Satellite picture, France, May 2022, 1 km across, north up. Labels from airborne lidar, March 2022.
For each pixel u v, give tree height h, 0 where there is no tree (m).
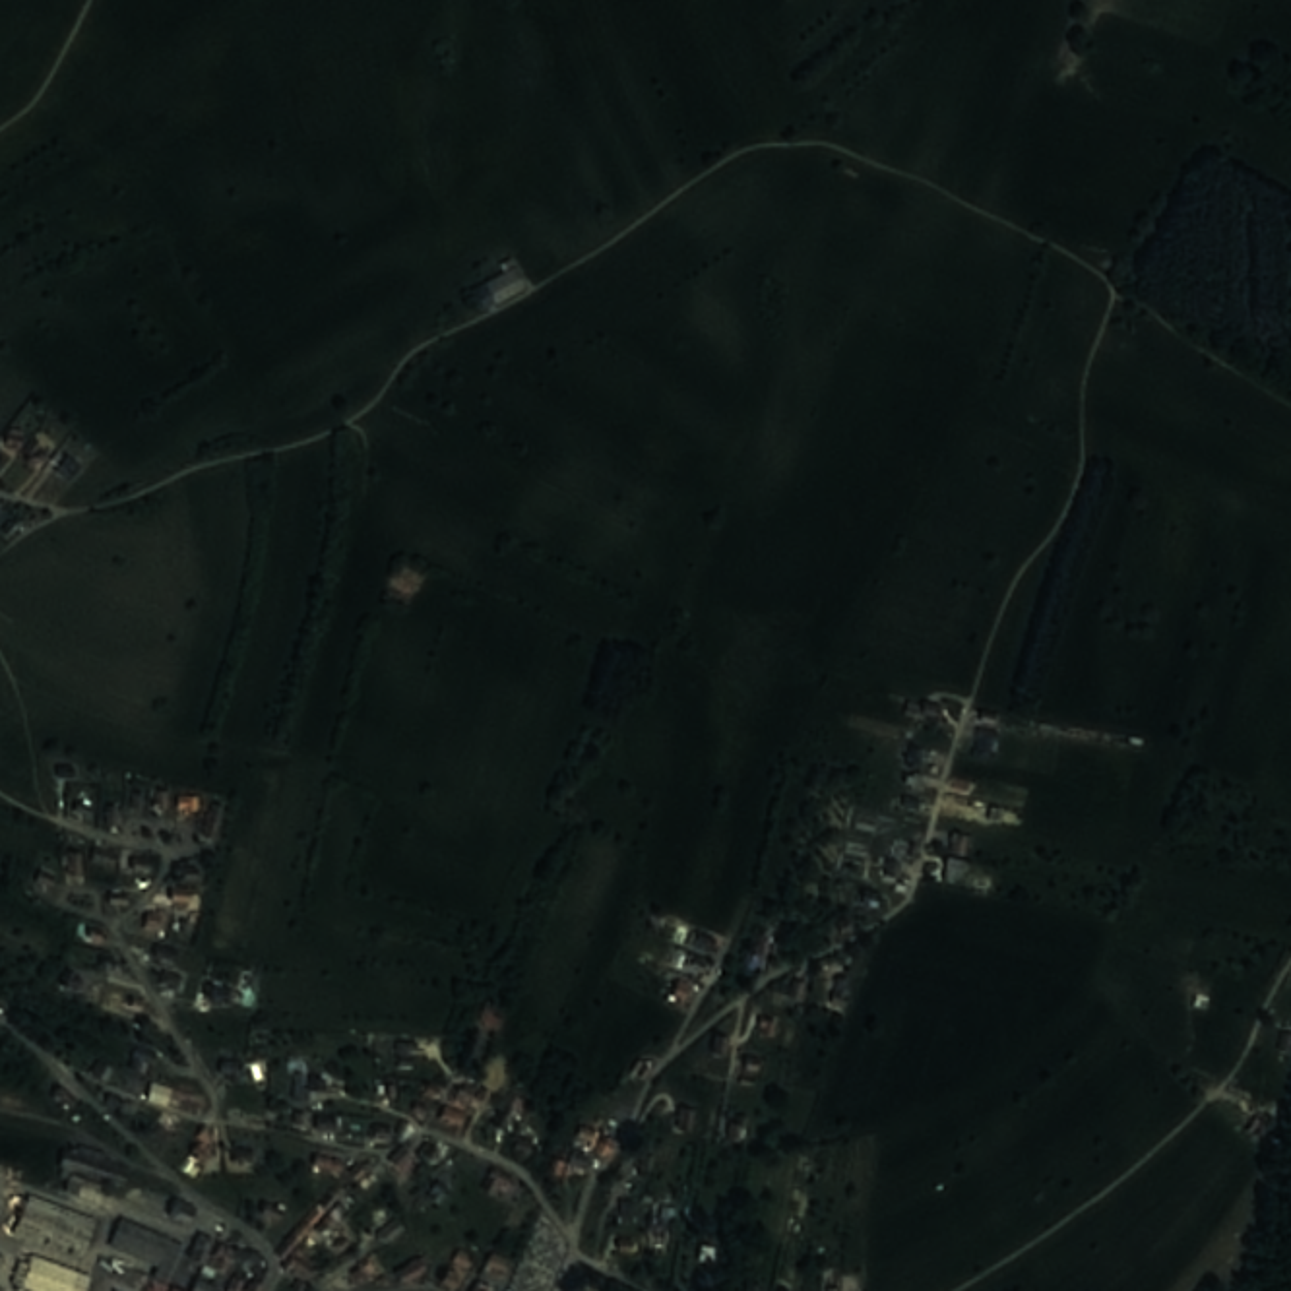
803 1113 0
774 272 0
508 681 0
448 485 0
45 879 0
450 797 0
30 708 0
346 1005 0
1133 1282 0
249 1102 0
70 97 0
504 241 0
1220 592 0
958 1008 0
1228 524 0
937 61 0
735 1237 26
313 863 6
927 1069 0
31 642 0
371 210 0
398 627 0
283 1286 0
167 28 0
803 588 0
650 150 0
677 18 0
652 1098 0
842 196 0
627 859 0
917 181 0
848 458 0
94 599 0
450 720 0
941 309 0
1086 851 0
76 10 0
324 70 0
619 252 0
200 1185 0
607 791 0
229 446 7
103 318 0
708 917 0
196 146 0
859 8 0
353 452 7
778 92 0
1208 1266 0
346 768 0
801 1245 0
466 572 0
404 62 0
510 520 0
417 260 0
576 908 0
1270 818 0
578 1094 12
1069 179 0
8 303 0
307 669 7
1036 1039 0
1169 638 0
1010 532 0
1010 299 0
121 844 0
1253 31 0
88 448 0
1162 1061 0
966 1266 0
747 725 0
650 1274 13
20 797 0
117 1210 0
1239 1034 0
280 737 7
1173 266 22
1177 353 0
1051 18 0
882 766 0
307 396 0
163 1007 0
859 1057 0
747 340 0
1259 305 24
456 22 0
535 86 0
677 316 0
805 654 0
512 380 0
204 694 0
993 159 0
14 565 0
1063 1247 0
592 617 0
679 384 0
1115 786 0
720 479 0
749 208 0
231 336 0
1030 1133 0
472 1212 0
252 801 0
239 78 0
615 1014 0
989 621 0
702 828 0
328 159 0
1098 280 0
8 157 0
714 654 0
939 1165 0
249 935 0
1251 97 14
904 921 0
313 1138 0
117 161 0
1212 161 21
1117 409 0
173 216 0
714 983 0
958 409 0
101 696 0
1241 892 0
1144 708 0
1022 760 0
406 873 0
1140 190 0
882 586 0
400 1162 0
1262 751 0
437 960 0
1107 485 16
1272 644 0
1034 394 0
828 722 0
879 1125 0
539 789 0
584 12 0
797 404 0
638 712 0
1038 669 14
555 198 0
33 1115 0
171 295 0
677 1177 0
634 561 0
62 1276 0
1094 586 0
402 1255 0
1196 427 0
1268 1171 18
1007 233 0
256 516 6
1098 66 0
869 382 0
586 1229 0
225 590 0
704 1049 0
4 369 0
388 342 0
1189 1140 0
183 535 0
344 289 0
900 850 0
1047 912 0
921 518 0
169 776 0
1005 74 0
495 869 0
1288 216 23
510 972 11
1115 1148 0
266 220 0
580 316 0
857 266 0
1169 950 0
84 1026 12
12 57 0
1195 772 9
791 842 9
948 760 0
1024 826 0
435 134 0
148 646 0
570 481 0
